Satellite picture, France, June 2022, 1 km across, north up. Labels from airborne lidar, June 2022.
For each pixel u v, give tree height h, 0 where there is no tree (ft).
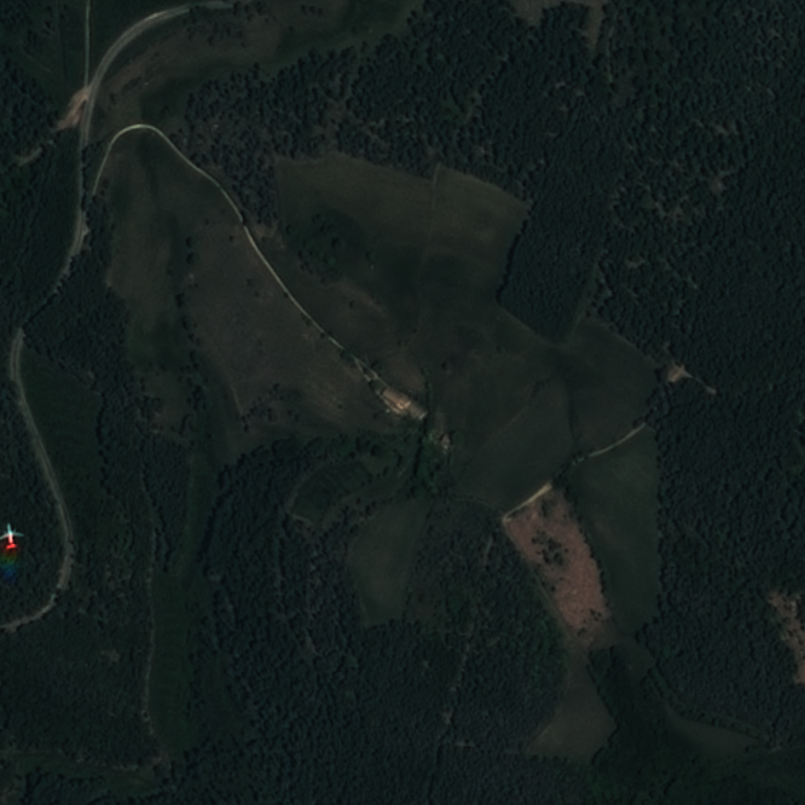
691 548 42
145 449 67
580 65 75
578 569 0
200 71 0
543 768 76
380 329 0
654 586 0
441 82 63
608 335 0
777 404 71
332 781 73
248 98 22
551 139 60
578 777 65
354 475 0
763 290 69
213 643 78
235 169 60
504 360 0
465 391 0
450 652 39
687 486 61
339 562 33
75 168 54
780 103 57
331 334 30
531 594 70
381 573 0
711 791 43
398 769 56
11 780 79
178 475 85
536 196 66
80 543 25
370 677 67
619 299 64
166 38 0
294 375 0
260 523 81
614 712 42
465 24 66
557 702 54
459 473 0
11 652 64
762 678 75
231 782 30
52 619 69
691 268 65
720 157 73
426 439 34
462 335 0
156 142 0
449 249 0
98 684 52
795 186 53
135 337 0
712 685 72
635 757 58
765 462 62
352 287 0
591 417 0
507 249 0
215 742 38
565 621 0
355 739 58
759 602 65
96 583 69
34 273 56
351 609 67
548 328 73
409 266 0
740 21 69
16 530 39
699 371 75
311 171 0
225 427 0
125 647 50
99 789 100
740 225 64
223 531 58
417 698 63
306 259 39
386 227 0
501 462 0
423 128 67
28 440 71
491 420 0
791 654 64
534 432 0
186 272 0
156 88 0
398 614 0
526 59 79
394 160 45
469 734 66
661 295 62
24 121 81
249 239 0
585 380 0
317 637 49
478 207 0
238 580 59
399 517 0
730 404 68
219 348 0
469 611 38
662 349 60
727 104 61
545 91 69
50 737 58
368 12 0
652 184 40
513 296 78
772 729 33
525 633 55
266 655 77
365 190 0
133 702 40
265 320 0
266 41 0
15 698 64
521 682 75
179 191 0
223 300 0
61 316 76
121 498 82
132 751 62
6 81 85
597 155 59
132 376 76
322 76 63
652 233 74
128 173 0
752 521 74
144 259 0
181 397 0
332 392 0
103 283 74
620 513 0
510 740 63
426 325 0
